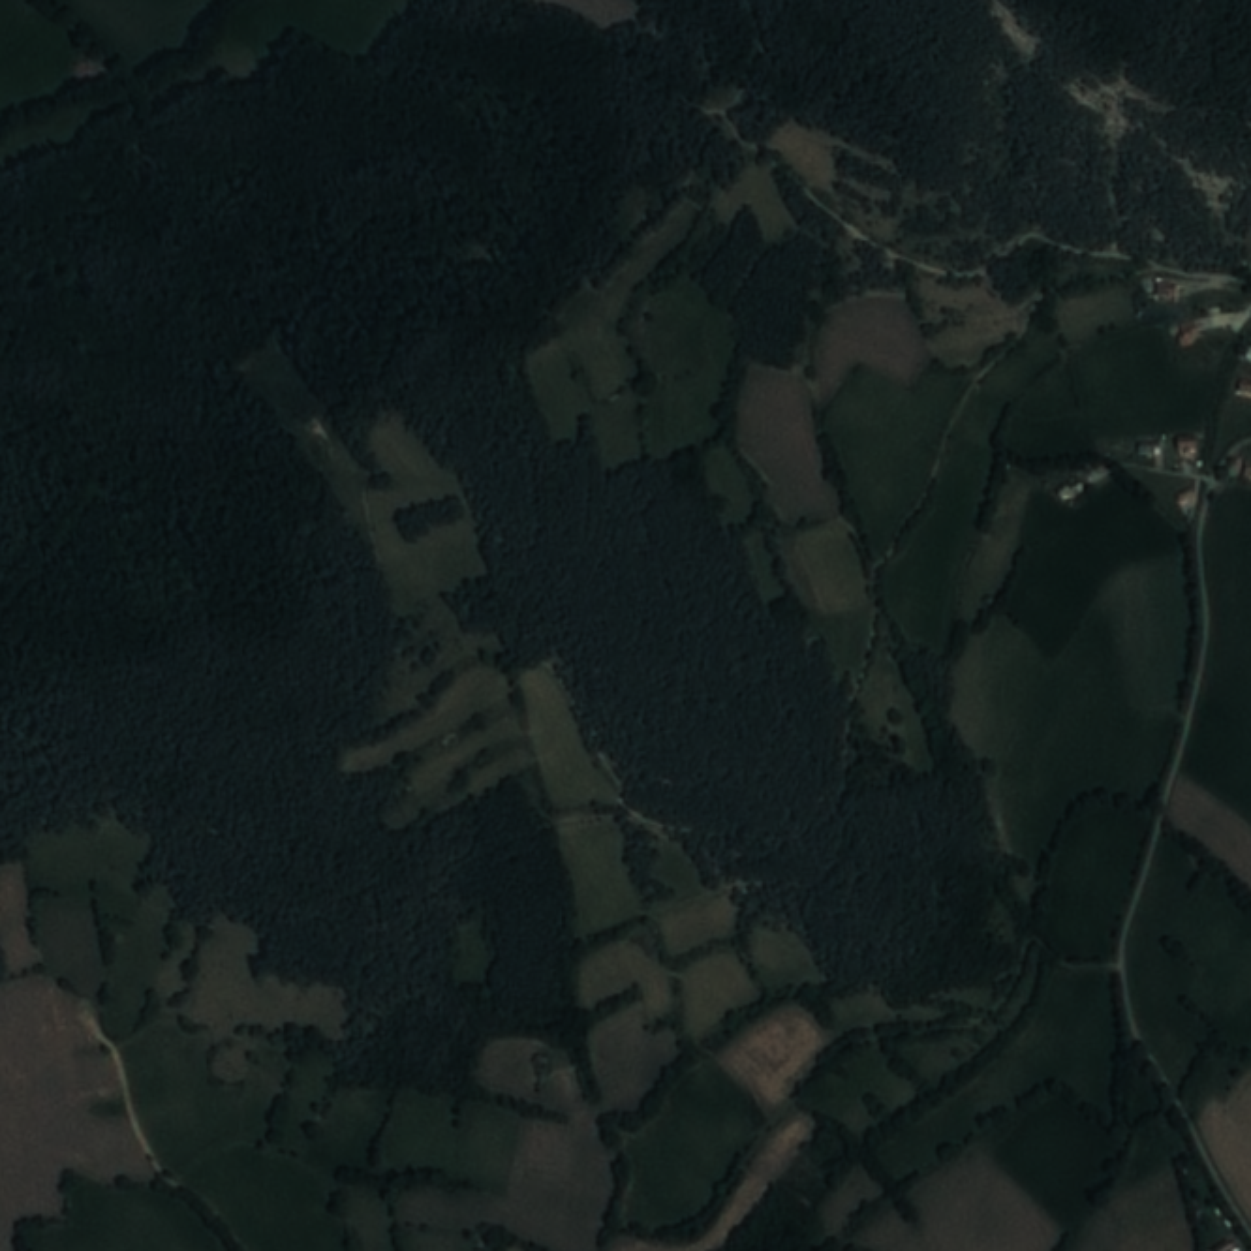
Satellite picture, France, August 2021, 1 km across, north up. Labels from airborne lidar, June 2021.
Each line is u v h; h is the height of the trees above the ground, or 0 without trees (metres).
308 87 23
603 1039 0
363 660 13
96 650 13
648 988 0
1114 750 0
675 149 13
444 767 0
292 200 20
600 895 0
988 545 0
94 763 14
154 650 16
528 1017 10
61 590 13
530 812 12
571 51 15
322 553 11
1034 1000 8
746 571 15
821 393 0
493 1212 0
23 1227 11
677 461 14
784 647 15
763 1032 0
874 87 13
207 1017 0
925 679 14
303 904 17
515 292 21
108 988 7
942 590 0
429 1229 8
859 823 18
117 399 15
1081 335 0
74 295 20
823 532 0
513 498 15
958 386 0
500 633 12
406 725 10
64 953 0
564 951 9
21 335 19
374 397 10
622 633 14
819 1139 15
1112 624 0
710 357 0
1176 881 0
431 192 23
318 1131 13
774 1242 19
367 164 18
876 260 9
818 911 14
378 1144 11
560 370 0
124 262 18
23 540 16
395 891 16
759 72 12
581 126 14
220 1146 0
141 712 13
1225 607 0
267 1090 0
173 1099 0
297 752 17
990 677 0
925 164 13
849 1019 0
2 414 17
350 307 17
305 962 23
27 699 21
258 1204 0
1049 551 0
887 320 0
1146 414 0
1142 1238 0
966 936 18
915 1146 0
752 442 0
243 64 0
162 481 14
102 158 15
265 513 17
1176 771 0
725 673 17
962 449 0
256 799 15
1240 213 10
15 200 20
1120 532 0
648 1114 12
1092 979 0
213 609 13
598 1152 0
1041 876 11
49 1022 0
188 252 22
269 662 15
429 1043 16
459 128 22
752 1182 0
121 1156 0
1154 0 14
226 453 16
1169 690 0
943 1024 9
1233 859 0
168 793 10
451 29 24
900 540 7
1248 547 0
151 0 0
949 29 16
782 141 0
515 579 7
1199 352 0
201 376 19
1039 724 0
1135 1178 0
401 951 14
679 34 10
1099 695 0
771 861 16
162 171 13
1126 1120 10
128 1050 0
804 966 0
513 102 22
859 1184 0
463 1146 0
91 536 16
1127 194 14
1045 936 11
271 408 12
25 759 13
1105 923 0
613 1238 8
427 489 0
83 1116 0
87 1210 0
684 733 14
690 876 0
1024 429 0
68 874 0
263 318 21
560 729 0
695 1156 0
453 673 8
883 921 19
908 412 0
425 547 0
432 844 17
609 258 13
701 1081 0
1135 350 0
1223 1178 0
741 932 6
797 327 12
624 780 7
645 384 14
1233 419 0
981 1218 0
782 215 0
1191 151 9
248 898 15
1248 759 0
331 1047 12
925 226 8
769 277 13
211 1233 11
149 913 0
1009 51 8
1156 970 0
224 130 20
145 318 19
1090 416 0
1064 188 11
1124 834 0
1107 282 8
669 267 12
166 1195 13
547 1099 0
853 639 0
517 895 11
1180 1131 18
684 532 16
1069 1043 0
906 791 16
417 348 11
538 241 22
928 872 16
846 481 12
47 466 19
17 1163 0
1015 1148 0
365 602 18
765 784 17
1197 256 10
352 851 14
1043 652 0
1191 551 12
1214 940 0
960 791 17
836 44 8
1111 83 10
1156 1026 0
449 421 14
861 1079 0
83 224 22
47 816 10
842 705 16
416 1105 0
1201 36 16
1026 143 7
